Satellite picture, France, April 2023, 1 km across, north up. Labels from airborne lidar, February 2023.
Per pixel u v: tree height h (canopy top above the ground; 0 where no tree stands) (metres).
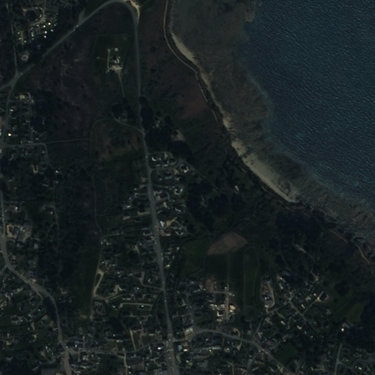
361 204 0
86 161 6
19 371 19
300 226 11
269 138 0
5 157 0
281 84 0
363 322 20
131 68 0
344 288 20
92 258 0
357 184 0
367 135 0
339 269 10
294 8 0
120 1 0
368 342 18
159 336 0
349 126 0
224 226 0
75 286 0
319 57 0
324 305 0
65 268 12
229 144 7
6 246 0
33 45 13
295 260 17
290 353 0
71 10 13
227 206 20
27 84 0
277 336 8
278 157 0
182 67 0
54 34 12
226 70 0
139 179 0
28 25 18
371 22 0
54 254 20
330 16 0
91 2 0
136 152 0
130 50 0
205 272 0
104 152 0
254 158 0
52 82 0
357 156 0
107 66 0
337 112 0
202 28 0
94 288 0
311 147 0
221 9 0
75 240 10
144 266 6
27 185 15
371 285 9
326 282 9
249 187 0
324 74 0
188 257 0
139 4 0
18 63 7
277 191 0
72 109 0
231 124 0
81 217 13
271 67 0
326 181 0
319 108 0
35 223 0
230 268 0
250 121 0
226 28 0
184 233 0
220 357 8
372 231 0
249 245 0
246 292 0
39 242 0
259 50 0
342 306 0
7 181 0
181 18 0
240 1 0
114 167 0
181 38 0
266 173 0
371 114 0
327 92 0
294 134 0
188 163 8
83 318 0
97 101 0
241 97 0
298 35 0
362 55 0
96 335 6
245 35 0
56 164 6
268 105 0
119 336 0
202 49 0
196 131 0
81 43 0
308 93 0
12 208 0
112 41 0
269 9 0
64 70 0
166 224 0
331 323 0
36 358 8
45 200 5
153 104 0
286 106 0
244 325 20
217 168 8
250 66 0
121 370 0
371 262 0
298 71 0
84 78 0
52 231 9
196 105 0
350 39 0
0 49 10
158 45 7
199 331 0
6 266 0
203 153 7
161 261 0
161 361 0
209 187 15
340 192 0
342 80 0
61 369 0
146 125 16
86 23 0
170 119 13
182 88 0
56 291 14
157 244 0
